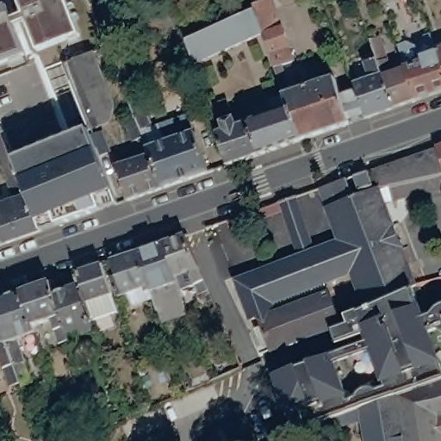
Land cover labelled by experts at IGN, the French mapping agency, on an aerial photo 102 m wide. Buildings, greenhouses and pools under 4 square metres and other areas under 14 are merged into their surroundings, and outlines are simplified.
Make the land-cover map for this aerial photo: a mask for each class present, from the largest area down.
<instances>
[{"label":"building","instance_id":"1","mask_svg":"<svg viewBox=\"0 0 441 441\"><path fill-rule=\"evenodd\" d=\"M72 3L67 0H0V64H17L26 57L31 60L38 59L41 50L57 45L67 47L81 40L78 14L71 12ZM245 43H248V47H255L258 43L276 72H281L286 65L293 64L296 57L298 53L293 48H288V38L283 34V26L277 16L274 0H255L243 12L222 19L220 21L184 36V47L191 57H195L198 62L210 60L219 62L222 52L229 53L233 48H239ZM432 29H424L413 33L412 41L400 43H391L386 31H382L381 36H374L370 38L369 43H363L360 47V60L357 62L362 65L363 74L351 81L348 90H339V76L338 72L331 71L329 74L307 79L303 83L281 88L279 95L283 96L284 100V107L281 109L248 115L246 119H234L233 115L227 114L224 119H217V127L210 126L212 140L220 141V160L227 165L239 160H250L277 152L308 138H315L320 134L331 133L334 129H341L353 122L374 119L377 115L388 114L391 110L441 95V43L436 45L432 41ZM55 91H71L72 100L81 115V122L0 157V243L7 245L17 239L31 238L52 227L64 226L79 217L93 214L96 210L114 207L117 202L115 198L119 195L126 198V202H134L158 191L207 176L208 164H205L202 143H196L193 126L189 122L181 119L179 122H172V119L158 121L157 129L150 131L152 119H146L138 112H134L126 127V141H138L143 148L140 153L119 158L110 164L112 146L105 140L102 124L109 119L112 110L109 88L103 81V74L102 55L93 50L64 62L60 60L47 65ZM441 181V141L424 152L394 160L391 164L381 165L372 171L355 172L320 188L286 196L264 207L262 212L265 215L270 217L283 212L291 238L289 246H295V253L274 257L262 260L255 269L239 272L233 279L246 315L252 317L253 326L260 327L264 334L267 353L277 350L281 345H295L298 339L310 338L320 332H329L334 343L353 338L357 334L360 336L357 343L301 358L298 362L288 363L270 372L272 386H276L277 389L276 413L270 417L279 425L291 422L303 427L312 419L319 420L320 425H336L339 420V424L350 427V441H441V300L432 303L427 312L420 310L415 291L432 281H419V277L410 274L408 258L401 248L403 243L394 231L393 219L389 215L386 202L382 200L381 188L389 186L393 198L408 200V195L413 189H419L420 184L425 181ZM307 196H317L322 200L331 222L327 231H331L332 238L317 245L312 243V236L308 234L303 220V212L296 202ZM202 274L191 257L186 233L179 231L174 236L158 238L146 245L129 248L124 252L110 253L105 262L96 260L79 265L78 269L72 272L71 283L59 288H52L47 277H40L17 286V289H7L0 293V398L3 394L17 396V391L33 381L40 372L38 365L34 363V355L22 353L21 348L26 346L28 336H34L36 327L50 322L52 326H60V331L55 334L59 341L67 338V334L72 331L88 334L93 322H96V326L103 331L114 327L117 307L112 298L114 293H126L129 305H143L146 322L152 324L176 319L184 314V305L188 301L181 296V289L196 291L198 284H202Z\"/></svg>","mask_w":441,"mask_h":441},{"label":"impervious surface","instance_id":"2","mask_svg":"<svg viewBox=\"0 0 441 441\"><path fill-rule=\"evenodd\" d=\"M277 16L283 26V34L288 38V48H293L298 53L317 50L314 33L317 29L310 16L308 10L303 9L295 0H274ZM93 50V47L90 41L81 40L67 47L57 45L41 50L38 59L31 60L26 57L17 64H0V157L81 122V115L72 100L71 91H55L47 65L60 60L64 62ZM210 65H219L222 76L212 88L217 95L212 102L210 126L217 127V119H224L227 114L233 115L234 119H246L248 115L281 109L284 107V100L283 96L279 95L281 88L303 83L307 79L329 74L331 71L329 65L320 60L317 53L305 60H298L296 57L293 64L286 65L281 72H276L258 43L255 47H248V43H245L239 48H233L229 53L222 52L219 62L210 60ZM193 126L196 143H202L205 164H208L207 176L158 191L134 202H126V198L119 195L115 198L117 202L114 207L96 210L93 214L79 217L64 226L52 227L31 238L17 239L7 245L0 243V293L7 289H17V286L40 277H47L52 288H59L71 283L72 272L78 269L79 265L96 260L105 262L110 253L124 252L129 248L146 245L158 238L174 236L179 231L186 233L191 257L202 274V284H198L196 291L205 298V307L210 312H219L222 317V331L227 332V339H231L233 343L234 351L238 355V369L229 370L220 376H208L207 381L200 384L191 382V386L184 391L186 396L183 400L171 401H165L164 405H160L157 415L140 417L136 424L133 420L127 419L124 424L127 436H122L119 441H253L260 434H270L272 429L279 425L270 417L276 413L277 389L276 386H272L270 372L288 363L298 362L301 358L357 343L360 336L357 334L353 338L334 343L329 332H320L310 338L298 339L295 345H281L277 350L267 353L264 334L260 327L253 326L252 317L246 315L233 279L239 272L255 269L262 260L253 258L250 252L234 245L229 220L238 219L243 207L239 205V200L250 193L258 191L260 198H264L260 205L264 207L286 196L320 188L355 172L372 171L381 165L391 164L394 160L424 152L441 141V95L391 110L388 114L377 115L374 119L353 122L341 129H334L331 133L320 134L315 138H308L277 152L250 160L253 165L252 181H243L239 184H229L231 179L226 177L227 165L220 160V141L212 140L210 126H203V122L200 121L189 122ZM382 200L386 202L389 215L393 219L394 231L403 243L401 248L408 258L410 274L419 277V281H432L415 291L420 310L427 312L432 303L441 300V260L431 262L424 253V248L429 239H441V181H425L420 184L419 189H413L408 195V200L393 198L389 186L381 188ZM432 202L436 205L438 214L436 226L419 229L407 219L408 210L417 203ZM296 202L303 212V220L308 234L312 236V243L317 245L332 238L331 231H327L331 222L322 200L317 196H307ZM262 220L267 226V239L277 246L274 257L295 253V246H289L291 238L283 212L270 217L265 215ZM60 331V326H52L50 322L36 327L34 336H28L26 346L21 348L22 353L34 355L48 343L60 345L67 338L59 341L55 334Z\"/></svg>","mask_w":441,"mask_h":441},{"label":"deciduous trees","instance_id":"3","mask_svg":"<svg viewBox=\"0 0 441 441\"><path fill-rule=\"evenodd\" d=\"M109 7L110 16L105 17L102 22L90 24L91 31L98 34V45L93 47V50L102 55L103 74L112 83H117L121 67L126 64L133 65V74L122 84L121 91L124 95L114 110L115 119L122 127H126L134 112H138L146 119H152L169 114V110L165 109L164 95L155 79V65L150 62V50L155 52L158 43L165 40V36L160 29L152 28L150 22L160 17H172L176 26L208 21L212 17H219L220 21L222 19V0H102ZM303 9L308 10L310 16H326V10L315 9L319 0H295ZM341 12L348 17H355L360 12L357 0H338ZM317 50L298 53L296 57L298 60H305L317 53L320 60L329 65L334 60V55L341 52L343 40L338 34L332 33L331 29H317L314 33ZM222 76L219 65H210L205 69H183L172 64L169 71H165V81L169 83V88L181 96V119L189 122L200 121L203 122V126H210L212 102L217 95L212 88ZM253 165L250 160H239L227 165L226 177L231 179L229 184H239L243 181H252ZM264 198H260L258 191L250 193L239 200V205L243 207L238 219L229 220L234 245L250 252L253 258L262 260L274 257L277 246L267 239V226L262 220L265 215L262 212L264 207L260 205ZM407 219L419 229L436 226L438 214L436 205L432 202L417 203L408 210ZM424 253L431 262L441 260V239H429L424 248ZM202 305H198V301H188L184 305V314L176 319L171 332L162 326L160 331L148 334L143 343H140L138 350L133 351V360L129 362L124 358V353L119 351V343L107 338L103 331L96 326V322H93L88 334L72 331L67 334V338L60 345L48 343L34 355V363L38 365L40 372L33 381L17 391V396L22 403V419L31 424V441H119L122 436H127L124 424L127 419L133 420L136 424L140 417L157 415L160 405H164L165 401H171V394H160L158 398H153L148 389L143 388V381L138 374L140 370L153 367L158 372H164L165 376L169 377L171 386L177 382L184 384L189 367H203L208 376H220L229 370L238 369V355L234 351L233 343L231 339H227V332L222 331L207 338V332L203 331L200 320ZM57 351L64 355L67 367L65 376L83 377V393L76 398H72L71 394H64L59 401L48 405V394L57 386L59 377L53 372L52 360L53 353ZM253 441H350V427L339 424V420L336 425H320L319 420L312 419L303 427L291 422L279 425L272 429L270 434H260Z\"/></svg>","mask_w":441,"mask_h":441},{"label":"herbaceous vegetation","instance_id":"4","mask_svg":"<svg viewBox=\"0 0 441 441\"><path fill-rule=\"evenodd\" d=\"M72 3L71 12L78 14L81 40L90 41L93 47L98 45V34L91 31L90 24L102 22L105 17L110 16L109 7L102 0H67ZM255 0H222V19L243 12ZM360 12L355 17H348L345 21L346 28L350 31H360L362 26L369 24L382 26L389 10H394L396 29L401 33L400 43L412 41L413 33L424 29L425 24L420 16L408 12L407 0H357ZM425 12L431 19L432 29V41L436 45L441 43V0H422ZM220 21L219 17H212L208 21L176 26L172 17H160L150 22L152 28L160 29L165 36V40L158 43L155 52L150 50V62L155 65V79L164 95L165 109L169 110V114L152 119L150 131L157 129L158 121L172 119V122H179L181 119V96L169 88V83L165 81V71H169L172 64L183 69H205L210 65V60L198 62L195 57H191L184 47V36ZM363 74L362 65L357 62L350 65V71L339 76V90H348L351 81ZM133 74V65L126 64L121 67L117 83H112L103 74V81L109 88L112 110L109 119L102 124L105 140L112 146L110 164L119 158L140 153L143 148L138 141H126V127H122L115 119L114 110L124 95L121 91L122 84ZM181 296L188 301H198V305H202L200 320L203 331L207 332V338L222 331V317L219 312H210L205 307V298L196 291L181 289ZM129 326L131 331L138 332L136 339L140 343H143L148 334L160 331L162 326L171 332L176 319L152 324L146 322L143 305H129ZM52 360L53 372L59 377L57 386L48 394V405L59 401L64 394H71L72 398H76L83 393V377L65 376L67 367L64 355L57 351L53 353ZM138 374L143 381V388L148 389L153 398H158L160 394H171V401L183 400L186 396L184 391L191 386V382L200 384L207 381L208 376L203 367H189L184 384L177 382L171 386L169 377L165 376L164 372H158L153 367L140 370ZM0 441H31V424L22 419V403L17 396L3 394L0 398Z\"/></svg>","mask_w":441,"mask_h":441},{"label":"brushwood","instance_id":"5","mask_svg":"<svg viewBox=\"0 0 441 441\"><path fill-rule=\"evenodd\" d=\"M315 9L326 10V16H310L317 29H331L332 33L338 34L343 40L341 52L334 55V60L329 65L331 71L338 72L339 76L350 71V65L357 62L360 60V47L363 43H369L370 38L374 36H381L382 31H386L391 43H400L401 33L396 29L394 10H389L382 26L369 24L362 26L360 31H350L346 28L345 21L348 17L341 12L338 0H319ZM408 12L420 16L425 24L424 29H432L431 19L425 12L422 0H407ZM112 298L117 307L114 327L103 331L107 338L119 343V351L124 353V358L129 362L133 360V351L138 350L140 343L136 339L138 332L131 331L129 326V305L126 293H114Z\"/></svg>","mask_w":441,"mask_h":441}]
</instances>
